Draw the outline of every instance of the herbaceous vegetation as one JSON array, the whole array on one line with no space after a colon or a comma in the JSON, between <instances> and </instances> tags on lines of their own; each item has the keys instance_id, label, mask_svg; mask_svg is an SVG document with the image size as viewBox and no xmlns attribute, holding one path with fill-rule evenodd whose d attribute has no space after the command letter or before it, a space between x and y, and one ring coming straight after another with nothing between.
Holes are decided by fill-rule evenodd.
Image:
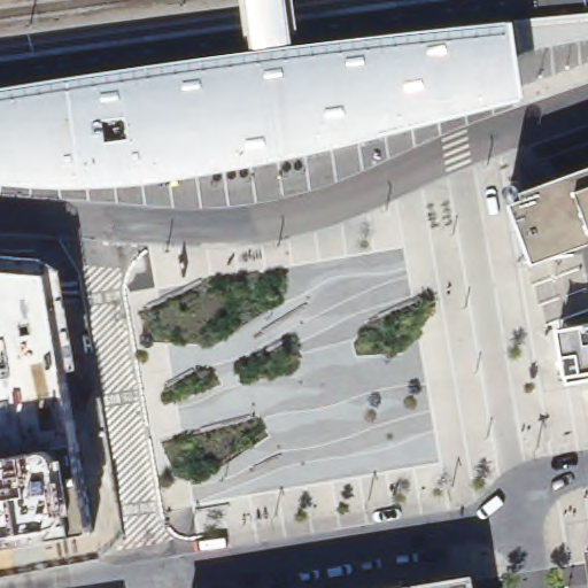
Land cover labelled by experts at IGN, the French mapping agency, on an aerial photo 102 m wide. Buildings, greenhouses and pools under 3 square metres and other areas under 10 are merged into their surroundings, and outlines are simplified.
<instances>
[{"instance_id":1,"label":"herbaceous vegetation","mask_svg":"<svg viewBox=\"0 0 588 588\"><path fill-rule=\"evenodd\" d=\"M209 278L202 278L193 287L165 296L163 301L149 308L142 308L140 342L149 347L154 342L200 347L214 347L216 342L221 342L209 328L209 319L223 308L223 301L218 301L216 294L209 289Z\"/></svg>"},{"instance_id":2,"label":"herbaceous vegetation","mask_svg":"<svg viewBox=\"0 0 588 588\"><path fill-rule=\"evenodd\" d=\"M246 423L209 432L191 430L165 439L163 450L170 464L179 466L211 462L218 469L223 464L230 464L243 450L253 448L264 436L262 418L250 418Z\"/></svg>"},{"instance_id":3,"label":"herbaceous vegetation","mask_svg":"<svg viewBox=\"0 0 588 588\"><path fill-rule=\"evenodd\" d=\"M257 358L271 358L273 354L294 358L301 351L299 338L294 333L287 333L283 335L278 349L260 349L239 361L253 363Z\"/></svg>"}]
</instances>

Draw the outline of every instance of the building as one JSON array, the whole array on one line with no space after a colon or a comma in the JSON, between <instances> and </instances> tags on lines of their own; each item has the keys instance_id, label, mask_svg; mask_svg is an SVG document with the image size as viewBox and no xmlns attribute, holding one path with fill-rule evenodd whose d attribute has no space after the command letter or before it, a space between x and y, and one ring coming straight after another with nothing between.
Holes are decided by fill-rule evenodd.
<instances>
[{"instance_id":1,"label":"building","mask_svg":"<svg viewBox=\"0 0 588 588\"><path fill-rule=\"evenodd\" d=\"M459 577L404 588L473 588L469 577Z\"/></svg>"},{"instance_id":2,"label":"building","mask_svg":"<svg viewBox=\"0 0 588 588\"><path fill-rule=\"evenodd\" d=\"M328 149L342 149L361 142L365 145L370 140L390 138L404 131L416 131L430 124L469 117L485 110L508 106L519 108L524 106L524 96L512 23L457 25L294 46L289 34L296 30L294 0L243 0L241 30L250 44L246 53L193 57L0 87L0 188L78 191L179 181L188 177L248 170L269 163L285 163L296 158L301 161L303 156L322 154Z\"/></svg>"},{"instance_id":3,"label":"building","mask_svg":"<svg viewBox=\"0 0 588 588\"><path fill-rule=\"evenodd\" d=\"M67 335L60 276L53 269L57 257L48 253L37 253L32 248L14 250L11 255L0 253L0 551L5 551L5 556L32 554L37 551L37 535L64 533L69 537L78 537L92 531L99 512L103 464L96 459L92 466L80 466L80 462L76 459L78 441L71 402L64 390L60 390L60 381L74 370L74 356Z\"/></svg>"},{"instance_id":4,"label":"building","mask_svg":"<svg viewBox=\"0 0 588 588\"><path fill-rule=\"evenodd\" d=\"M574 381L577 388L588 388L588 165L521 191L512 209L512 218L517 221L521 241L528 248L531 257L551 262L554 276L558 280L537 287L537 301L544 310L544 333L560 342L560 358L556 358L551 368L565 368L567 381Z\"/></svg>"}]
</instances>

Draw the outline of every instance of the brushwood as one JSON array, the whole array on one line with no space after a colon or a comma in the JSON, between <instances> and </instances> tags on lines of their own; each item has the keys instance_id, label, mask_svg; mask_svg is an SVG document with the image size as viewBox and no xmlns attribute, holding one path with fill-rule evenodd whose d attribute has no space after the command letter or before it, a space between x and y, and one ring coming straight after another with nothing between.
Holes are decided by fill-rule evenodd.
<instances>
[{"instance_id":1,"label":"brushwood","mask_svg":"<svg viewBox=\"0 0 588 588\"><path fill-rule=\"evenodd\" d=\"M188 395L204 393L216 386L216 370L198 365L181 379L175 379L163 388L163 402L179 402Z\"/></svg>"},{"instance_id":2,"label":"brushwood","mask_svg":"<svg viewBox=\"0 0 588 588\"><path fill-rule=\"evenodd\" d=\"M211 478L218 469L211 462L179 466L170 464L172 475L177 480L191 482L202 482Z\"/></svg>"},{"instance_id":3,"label":"brushwood","mask_svg":"<svg viewBox=\"0 0 588 588\"><path fill-rule=\"evenodd\" d=\"M239 331L243 324L253 322L266 310L278 308L285 301L287 269L276 266L266 271L216 273L209 278L209 289L216 294L218 301L223 301L223 308L209 319L209 328L221 342L227 340L234 331Z\"/></svg>"},{"instance_id":4,"label":"brushwood","mask_svg":"<svg viewBox=\"0 0 588 588\"><path fill-rule=\"evenodd\" d=\"M239 381L253 384L257 379L276 379L296 372L301 351L294 358L273 354L271 358L257 358L253 363L239 361L234 363L234 372L239 374Z\"/></svg>"},{"instance_id":5,"label":"brushwood","mask_svg":"<svg viewBox=\"0 0 588 588\"><path fill-rule=\"evenodd\" d=\"M395 356L404 351L411 342L416 342L423 333L427 317L434 312L434 303L416 296L413 303L388 312L386 317L372 317L365 326L361 326L356 338L356 354Z\"/></svg>"}]
</instances>

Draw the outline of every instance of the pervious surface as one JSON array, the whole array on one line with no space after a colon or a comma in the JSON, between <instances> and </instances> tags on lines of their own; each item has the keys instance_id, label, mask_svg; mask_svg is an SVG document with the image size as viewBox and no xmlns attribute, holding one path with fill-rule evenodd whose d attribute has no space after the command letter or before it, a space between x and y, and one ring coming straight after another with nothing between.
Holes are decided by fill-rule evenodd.
<instances>
[{"instance_id":1,"label":"pervious surface","mask_svg":"<svg viewBox=\"0 0 588 588\"><path fill-rule=\"evenodd\" d=\"M294 46L457 25L512 23L519 18L521 11L517 0L294 0L296 30L289 34Z\"/></svg>"},{"instance_id":2,"label":"pervious surface","mask_svg":"<svg viewBox=\"0 0 588 588\"><path fill-rule=\"evenodd\" d=\"M250 44L241 30L243 0L0 0L0 87L193 57L246 53Z\"/></svg>"}]
</instances>

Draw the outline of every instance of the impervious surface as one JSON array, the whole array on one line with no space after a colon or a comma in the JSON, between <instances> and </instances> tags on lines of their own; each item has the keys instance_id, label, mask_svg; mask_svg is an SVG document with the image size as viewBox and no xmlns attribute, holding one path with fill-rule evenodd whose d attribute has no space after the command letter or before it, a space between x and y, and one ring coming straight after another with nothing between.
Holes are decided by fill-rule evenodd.
<instances>
[{"instance_id":1,"label":"impervious surface","mask_svg":"<svg viewBox=\"0 0 588 588\"><path fill-rule=\"evenodd\" d=\"M296 158L285 163L269 163L248 170L188 177L179 181L78 191L0 188L0 253L11 255L14 250L32 248L37 253L48 253L57 257L53 269L60 276L67 335L74 356L74 370L60 381L60 390L64 390L71 402L78 441L76 459L80 462L80 466L92 466L96 459L103 464L99 512L92 531L78 537L69 537L64 533L37 535L37 551L32 554L5 556L5 551L0 551L0 588L404 588L459 577L469 577L473 588L588 588L588 388L577 388L574 381L567 381L565 368L551 368L556 358L560 358L560 342L544 333L544 310L537 301L537 287L558 280L554 276L551 262L531 257L528 248L521 241L517 221L512 218L512 209L521 191L588 165L588 0L517 0L521 11L519 18L512 23L524 96L524 106L519 108L508 106L485 110L469 117L430 124L416 131L404 131L390 138L370 140L365 145L361 142L342 149L328 149L322 154L303 156L301 161ZM287 269L285 301L278 308L266 310L253 322L243 324L239 331L234 331L227 340L221 342L216 342L214 347L200 347L154 342L149 347L140 342L142 308L149 308L163 301L165 296L193 287L202 278L209 278L216 273L266 271L276 266ZM416 342L411 342L404 351L395 356L356 354L356 338L361 326L365 326L372 317L386 317L388 312L413 303L416 296L434 303L434 312L427 317L423 333ZM301 351L296 372L276 379L257 379L253 384L239 381L239 374L234 372L234 363L239 361L260 349L278 349L283 335L287 333L294 333L299 338ZM198 365L216 370L216 386L204 393L188 395L179 402L163 402L163 388L175 379L181 379ZM250 418L262 418L264 436L253 448L243 450L230 464L223 464L218 469L211 478L202 482L191 482L177 480L172 475L170 464L163 450L165 439L191 430L209 432L246 423Z\"/></svg>"}]
</instances>

